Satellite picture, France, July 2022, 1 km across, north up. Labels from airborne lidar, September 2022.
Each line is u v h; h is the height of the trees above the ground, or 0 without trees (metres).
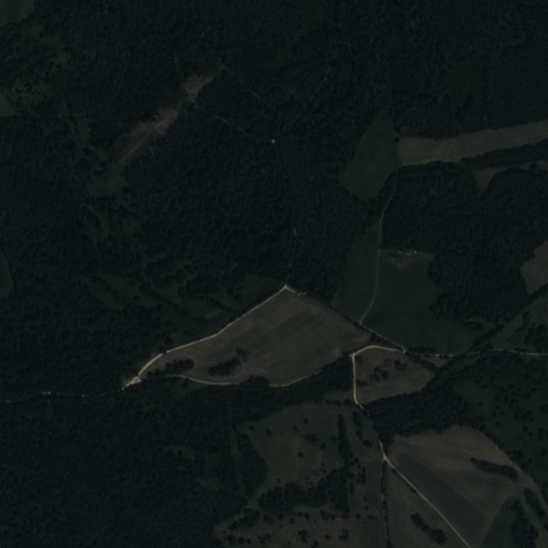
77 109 18
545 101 18
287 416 0
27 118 10
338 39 12
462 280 21
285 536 0
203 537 12
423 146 0
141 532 7
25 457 11
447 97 15
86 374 12
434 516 0
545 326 8
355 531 0
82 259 9
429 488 0
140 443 20
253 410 10
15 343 20
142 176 16
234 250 22
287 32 19
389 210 13
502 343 0
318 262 19
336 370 16
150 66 14
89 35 20
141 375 0
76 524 8
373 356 0
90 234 6
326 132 26
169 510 22
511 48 16
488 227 17
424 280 0
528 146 13
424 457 0
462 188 16
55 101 9
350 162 7
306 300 0
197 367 0
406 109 21
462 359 13
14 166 11
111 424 8
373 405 15
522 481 0
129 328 26
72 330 15
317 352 0
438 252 10
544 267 0
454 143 0
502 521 0
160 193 24
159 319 13
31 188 16
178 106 0
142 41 27
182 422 9
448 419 22
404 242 14
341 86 8
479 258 26
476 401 0
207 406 10
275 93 22
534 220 21
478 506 0
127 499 16
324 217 24
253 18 22
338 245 24
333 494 14
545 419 0
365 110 23
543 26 17
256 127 24
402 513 0
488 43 27
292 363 0
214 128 14
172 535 22
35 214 17
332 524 0
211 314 0
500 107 21
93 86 19
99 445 11
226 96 11
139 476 16
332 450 0
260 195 29
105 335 25
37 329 13
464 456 0
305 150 22
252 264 22
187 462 14
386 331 0
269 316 0
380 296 0
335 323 0
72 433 8
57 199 11
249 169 29
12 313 17
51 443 11
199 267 17
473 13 24
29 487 8
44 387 14
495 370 8
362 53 25
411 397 12
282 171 28
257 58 7
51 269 17
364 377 0
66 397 15
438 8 17
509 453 11
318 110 14
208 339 0
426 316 0
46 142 8
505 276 20
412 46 8
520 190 21
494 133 0
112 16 7
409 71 7
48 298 11
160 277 10
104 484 17
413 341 0
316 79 21
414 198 12
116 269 17
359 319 0
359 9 19
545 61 18
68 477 9
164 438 13
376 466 0
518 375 0
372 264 0
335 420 0
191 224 7
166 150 20
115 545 11
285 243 24
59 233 14
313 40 9
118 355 12
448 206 14
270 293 6
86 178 7
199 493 20
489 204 15
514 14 17
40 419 10
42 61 9
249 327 0
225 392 9
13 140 19
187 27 22
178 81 7
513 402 10
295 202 26
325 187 27
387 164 0
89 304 14
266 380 10
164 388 13
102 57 23
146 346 14
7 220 20
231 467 6
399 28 20
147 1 26
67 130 19
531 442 0
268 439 0
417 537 0
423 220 13
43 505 7
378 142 0
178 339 0
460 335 0
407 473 0
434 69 21
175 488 14
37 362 18
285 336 0
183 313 8
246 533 0
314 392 7
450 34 20
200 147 10
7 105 0
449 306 17
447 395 13
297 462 0
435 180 22
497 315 8
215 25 18
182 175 10
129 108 12
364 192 0
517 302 11
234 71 18
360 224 18
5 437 20
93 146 12
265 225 23
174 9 21
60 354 22
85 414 12
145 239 22
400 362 11
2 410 12
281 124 23
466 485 0
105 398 12
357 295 0
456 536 0
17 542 27
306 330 0
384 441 15
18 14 0
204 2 25
